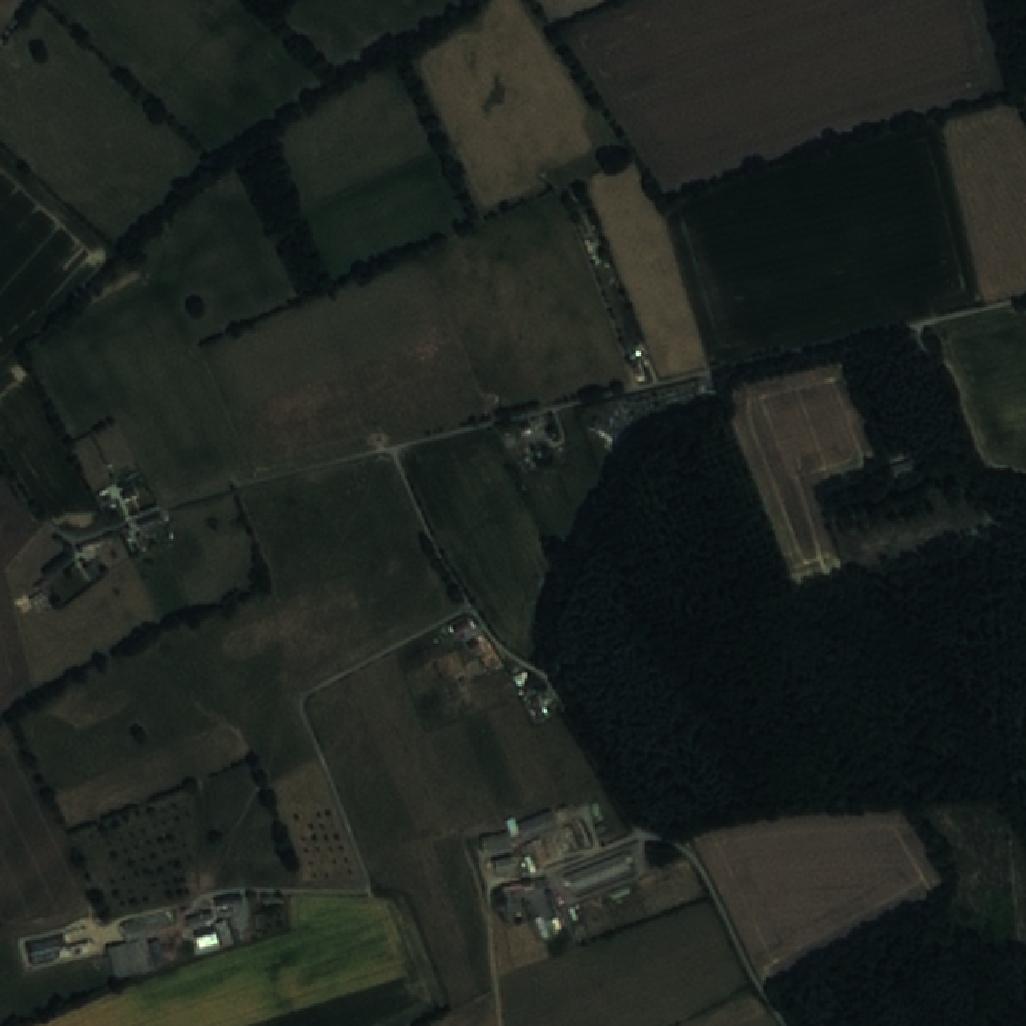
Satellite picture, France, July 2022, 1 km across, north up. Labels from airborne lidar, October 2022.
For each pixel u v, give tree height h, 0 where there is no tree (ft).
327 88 40
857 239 0
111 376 0
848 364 39
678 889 0
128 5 0
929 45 0
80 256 0
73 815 0
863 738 60
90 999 30
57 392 0
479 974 0
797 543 0
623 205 0
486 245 0
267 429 0
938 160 0
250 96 0
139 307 0
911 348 55
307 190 0
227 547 0
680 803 80
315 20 0
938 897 49
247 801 0
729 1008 0
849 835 0
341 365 0
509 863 0
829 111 0
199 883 0
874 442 74
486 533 0
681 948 0
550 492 0
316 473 0
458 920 0
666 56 0
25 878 0
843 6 0
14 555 0
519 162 0
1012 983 51
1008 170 0
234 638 0
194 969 0
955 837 0
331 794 0
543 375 0
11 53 0
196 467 0
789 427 0
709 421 60
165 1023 0
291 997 0
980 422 0
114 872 0
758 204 0
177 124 25
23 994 0
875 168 0
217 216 0
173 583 0
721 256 0
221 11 0
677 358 0
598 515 66
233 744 0
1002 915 0
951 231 0
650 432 64
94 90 0
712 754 72
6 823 0
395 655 0
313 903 0
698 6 0
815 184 0
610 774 59
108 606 0
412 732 0
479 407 0
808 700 71
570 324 0
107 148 0
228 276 0
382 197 0
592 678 76
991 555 63
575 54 48
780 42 0
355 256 0
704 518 73
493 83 0
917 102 0
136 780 0
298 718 0
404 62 54
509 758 0
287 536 0
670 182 0
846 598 38
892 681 51
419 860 0
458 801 0
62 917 0
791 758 54
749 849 0
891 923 67
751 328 0
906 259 0
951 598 83
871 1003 65
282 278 0
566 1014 0
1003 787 65
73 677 38
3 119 0
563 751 0
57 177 0
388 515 0
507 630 0
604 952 0
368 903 0
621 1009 0
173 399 0
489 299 0
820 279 0
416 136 0
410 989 0
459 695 0
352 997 0
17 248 0
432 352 0
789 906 0
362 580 0
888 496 66
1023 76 57
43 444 0
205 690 0
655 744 83
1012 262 0
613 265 18
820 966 63
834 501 70
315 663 0
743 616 62
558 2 0
